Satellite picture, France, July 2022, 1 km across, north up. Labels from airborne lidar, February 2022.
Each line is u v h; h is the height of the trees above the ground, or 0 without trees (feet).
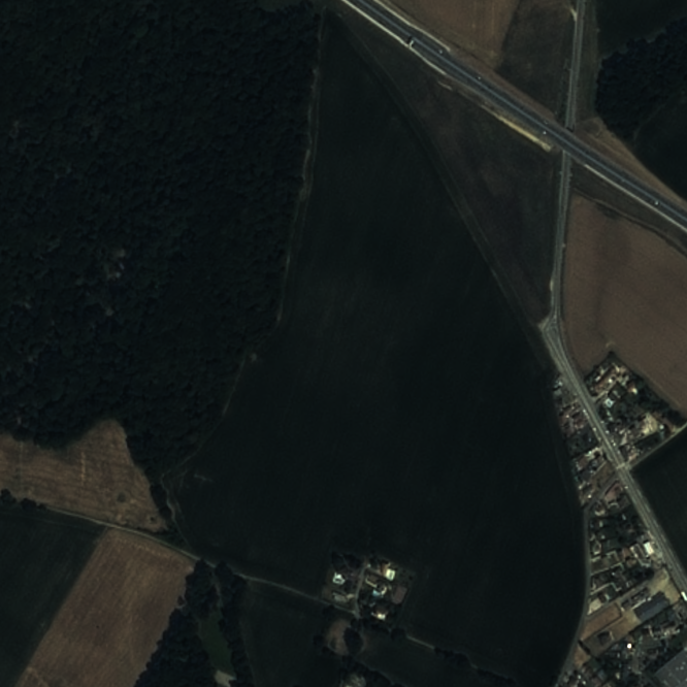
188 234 91
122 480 0
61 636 0
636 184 0
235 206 102
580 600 0
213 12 94
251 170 88
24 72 93
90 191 84
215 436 0
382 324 0
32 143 76
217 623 0
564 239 0
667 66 87
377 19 0
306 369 0
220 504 0
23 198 70
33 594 0
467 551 0
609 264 0
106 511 0
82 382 92
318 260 0
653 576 42
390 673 0
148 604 0
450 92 0
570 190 0
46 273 68
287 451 0
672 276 0
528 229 0
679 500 0
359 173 0
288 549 0
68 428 97
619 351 0
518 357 0
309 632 0
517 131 0
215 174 70
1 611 0
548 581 0
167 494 30
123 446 0
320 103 0
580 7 0
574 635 0
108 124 79
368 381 0
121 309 104
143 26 103
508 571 0
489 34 0
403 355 0
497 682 50
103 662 0
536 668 0
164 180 58
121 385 68
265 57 71
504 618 0
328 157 0
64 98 83
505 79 0
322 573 0
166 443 69
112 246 95
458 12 0
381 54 0
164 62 108
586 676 0
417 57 0
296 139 78
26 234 79
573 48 0
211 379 90
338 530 0
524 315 0
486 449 0
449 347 0
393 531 0
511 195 0
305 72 84
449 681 0
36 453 0
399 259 0
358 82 0
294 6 0
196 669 108
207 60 86
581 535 0
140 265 89
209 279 93
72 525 0
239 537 0
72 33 92
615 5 0
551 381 0
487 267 0
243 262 87
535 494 0
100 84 94
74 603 0
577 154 0
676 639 18
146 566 0
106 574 0
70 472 0
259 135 74
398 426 0
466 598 0
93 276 106
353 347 0
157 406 78
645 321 0
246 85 81
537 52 0
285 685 0
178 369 82
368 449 0
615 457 0
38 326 91
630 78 72
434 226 0
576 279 0
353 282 0
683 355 0
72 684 0
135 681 0
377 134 0
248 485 0
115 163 94
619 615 0
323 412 0
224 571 57
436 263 0
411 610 0
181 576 0
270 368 0
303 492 0
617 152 0
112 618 0
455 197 0
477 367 0
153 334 88
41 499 0
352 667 49
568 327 0
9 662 0
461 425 0
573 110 0
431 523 0
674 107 0
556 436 0
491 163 0
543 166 0
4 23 74
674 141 0
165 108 106
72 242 101
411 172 0
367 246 0
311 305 0
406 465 0
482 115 0
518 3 0
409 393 0
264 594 0
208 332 91
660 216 0
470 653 0
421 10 0
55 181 63
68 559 0
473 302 0
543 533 0
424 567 0
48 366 103
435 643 0
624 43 0
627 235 0
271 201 86
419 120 0
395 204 0
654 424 0
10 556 0
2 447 0
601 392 0
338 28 0
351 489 0
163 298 89
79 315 98
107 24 86
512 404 0
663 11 0
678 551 0
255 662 0
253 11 76
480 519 0
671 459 0
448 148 0
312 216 0
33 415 36
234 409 0
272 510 0
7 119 69
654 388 0
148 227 41
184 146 70
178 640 83
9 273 90
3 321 80
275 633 0
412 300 0
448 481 0
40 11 86
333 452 0
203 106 88
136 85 95
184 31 87
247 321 81
